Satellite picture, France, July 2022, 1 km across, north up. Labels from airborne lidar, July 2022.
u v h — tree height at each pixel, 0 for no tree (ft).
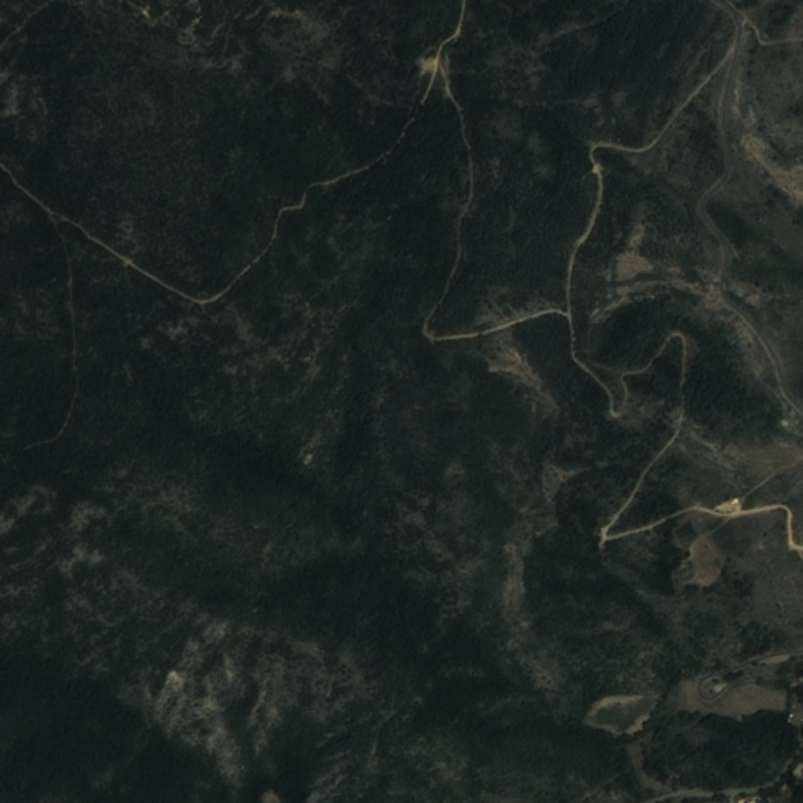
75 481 22
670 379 22
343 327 27
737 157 0
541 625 20
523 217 28
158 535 19
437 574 22
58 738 19
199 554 21
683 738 23
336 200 35
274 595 23
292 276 26
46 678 27
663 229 24
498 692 23
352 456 25
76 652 20
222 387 21
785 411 0
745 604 0
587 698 29
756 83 0
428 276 19
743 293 0
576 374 26
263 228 18
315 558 27
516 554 0
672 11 32
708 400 31
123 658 21
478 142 26
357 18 17
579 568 27
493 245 18
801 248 0
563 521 20
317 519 21
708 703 0
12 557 20
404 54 28
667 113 25
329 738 18
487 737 18
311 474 20
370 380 19
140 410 21
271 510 17
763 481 0
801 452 0
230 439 38
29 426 19
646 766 40
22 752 29
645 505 24
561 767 18
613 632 17
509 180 35
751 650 34
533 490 0
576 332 19
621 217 22
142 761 31
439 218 19
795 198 0
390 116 26
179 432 19
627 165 20
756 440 0
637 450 22
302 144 20
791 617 0
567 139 30
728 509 0
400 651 19
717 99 0
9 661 41
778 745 26
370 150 25
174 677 0
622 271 0
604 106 18
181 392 20
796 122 0
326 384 21
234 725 22
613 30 31
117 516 22
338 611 18
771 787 32
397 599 19
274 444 19
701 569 0
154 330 19
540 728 19
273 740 24
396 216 26
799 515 0
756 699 0
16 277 18
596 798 23
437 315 26
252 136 20
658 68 26
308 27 0
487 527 18
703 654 19
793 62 0
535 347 22
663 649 21
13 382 24
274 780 27
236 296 17
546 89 23
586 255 22
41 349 17
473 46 25
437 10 21
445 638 38
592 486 18
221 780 22
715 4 0
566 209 20
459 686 23
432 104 20
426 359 18
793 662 28
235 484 18
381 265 20
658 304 29
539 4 20
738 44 0
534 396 0
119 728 24
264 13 23
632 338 22
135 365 27
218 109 23
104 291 22
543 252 23
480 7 25
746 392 28
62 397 20
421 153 35
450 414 21
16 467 21
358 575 36
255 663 18
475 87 21
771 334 0
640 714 0
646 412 0
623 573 0
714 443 0
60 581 22
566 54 29
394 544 21
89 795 21
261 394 18
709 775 28
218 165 17
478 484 19
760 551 0
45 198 20
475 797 21
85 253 21
